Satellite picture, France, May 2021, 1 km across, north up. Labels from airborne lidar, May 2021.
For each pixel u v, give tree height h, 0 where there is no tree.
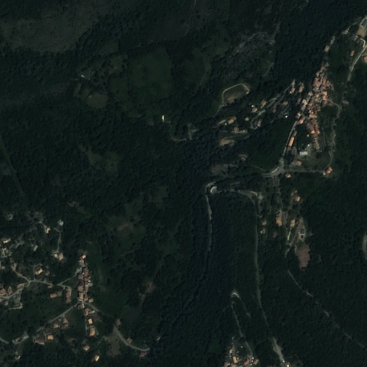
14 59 18
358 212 12
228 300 11
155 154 7
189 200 10
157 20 26
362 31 0
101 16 14
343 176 8
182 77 11
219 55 11
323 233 18
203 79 0
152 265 14
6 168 7
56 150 7
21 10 11
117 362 8
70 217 10
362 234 8
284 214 0
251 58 13
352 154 6
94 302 7
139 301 11
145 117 7
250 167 12
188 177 17
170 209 17
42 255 9
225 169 0
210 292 13
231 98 0
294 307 18
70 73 10
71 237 11
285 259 18
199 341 11
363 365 17
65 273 9
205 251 17
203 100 12
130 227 0
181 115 9
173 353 21
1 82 14
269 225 7
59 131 7
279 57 8
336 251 21
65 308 6
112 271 15
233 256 9
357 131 11
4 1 10
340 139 6
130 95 10
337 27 8
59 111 7
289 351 19
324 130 6
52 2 11
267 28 10
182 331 21
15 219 15
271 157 0
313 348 19
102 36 12
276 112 7
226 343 9
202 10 0
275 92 9
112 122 17
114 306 0
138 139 14
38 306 11
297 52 12
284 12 10
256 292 12
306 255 0
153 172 14
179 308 19
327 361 12
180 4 9
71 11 7
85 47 11
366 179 6
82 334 0
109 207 9
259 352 19
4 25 0
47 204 11
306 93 12
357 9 11
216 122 17
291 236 0
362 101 12
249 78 9
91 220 11
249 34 12
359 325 20
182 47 21
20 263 14
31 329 17
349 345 18
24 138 13
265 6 8
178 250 9
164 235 14
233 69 7
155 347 25
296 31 12
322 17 7
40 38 0
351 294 21
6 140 8
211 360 13
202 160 11
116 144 18
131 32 15
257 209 7
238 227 10
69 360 8
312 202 16
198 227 12
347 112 12
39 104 16
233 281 13
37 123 13
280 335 17
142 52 15
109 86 8
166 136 12
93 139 17
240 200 10
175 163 20
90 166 20
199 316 12
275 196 15
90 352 10
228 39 7
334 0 13
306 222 0
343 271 19
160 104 9
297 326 19
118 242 13
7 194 15
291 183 7
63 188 9
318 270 23
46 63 26
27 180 12
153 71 0
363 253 24
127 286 13
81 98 9
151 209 16
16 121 11
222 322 11
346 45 8
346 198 12
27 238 13
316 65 9
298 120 11
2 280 7
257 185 15
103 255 8
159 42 6
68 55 18
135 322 6
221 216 12
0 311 14
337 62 0
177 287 16
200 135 9
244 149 14
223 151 21
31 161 20
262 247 12
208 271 11
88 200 10
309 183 5
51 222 12
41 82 17
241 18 10
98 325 0
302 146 0
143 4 18
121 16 10
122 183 18
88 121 13
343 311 15
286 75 7
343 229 19
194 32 10
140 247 8
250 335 17
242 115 18
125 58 8
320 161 0
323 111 6
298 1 10
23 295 10
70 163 9
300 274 21
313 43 11
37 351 17
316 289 19
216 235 10
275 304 21
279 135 7
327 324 13
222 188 15
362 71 12
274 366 10
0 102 7
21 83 7
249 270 14
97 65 0
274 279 21
